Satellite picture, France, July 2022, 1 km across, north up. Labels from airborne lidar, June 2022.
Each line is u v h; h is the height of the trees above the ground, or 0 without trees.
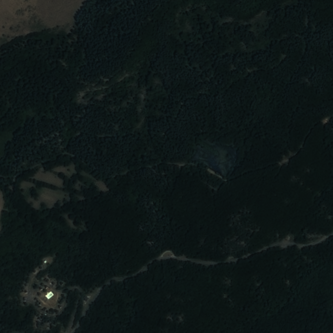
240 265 22
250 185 10
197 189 12
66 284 6
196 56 33
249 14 8
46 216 8
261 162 21
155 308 12
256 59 27
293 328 22
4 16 0
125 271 17
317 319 22
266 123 14
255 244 13
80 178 14
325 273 13
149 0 18
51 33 0
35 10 0
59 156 17
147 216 13
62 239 19
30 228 10
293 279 22
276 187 15
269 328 22
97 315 17
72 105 18
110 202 17
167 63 28
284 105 16
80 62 16
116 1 14
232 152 0
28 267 8
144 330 17
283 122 16
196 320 11
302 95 18
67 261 9
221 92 11
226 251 13
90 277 18
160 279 11
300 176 9
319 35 20
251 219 10
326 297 18
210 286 16
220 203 18
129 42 21
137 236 16
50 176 0
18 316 12
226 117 18
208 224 13
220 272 17
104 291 15
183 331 23
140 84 18
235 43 9
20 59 25
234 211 8
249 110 23
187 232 12
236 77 14
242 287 13
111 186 26
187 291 10
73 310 13
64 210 16
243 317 21
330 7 16
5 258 10
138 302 16
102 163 18
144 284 18
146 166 20
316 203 9
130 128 11
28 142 16
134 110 14
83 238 21
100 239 9
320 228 15
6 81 25
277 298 15
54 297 0
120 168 20
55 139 24
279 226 19
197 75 24
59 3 0
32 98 23
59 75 17
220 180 14
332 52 28
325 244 12
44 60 11
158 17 22
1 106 21
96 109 12
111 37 22
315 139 15
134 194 8
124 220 17
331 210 7
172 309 10
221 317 12
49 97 23
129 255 18
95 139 16
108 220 23
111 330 18
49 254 8
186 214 14
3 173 20
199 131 18
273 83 15
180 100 18
